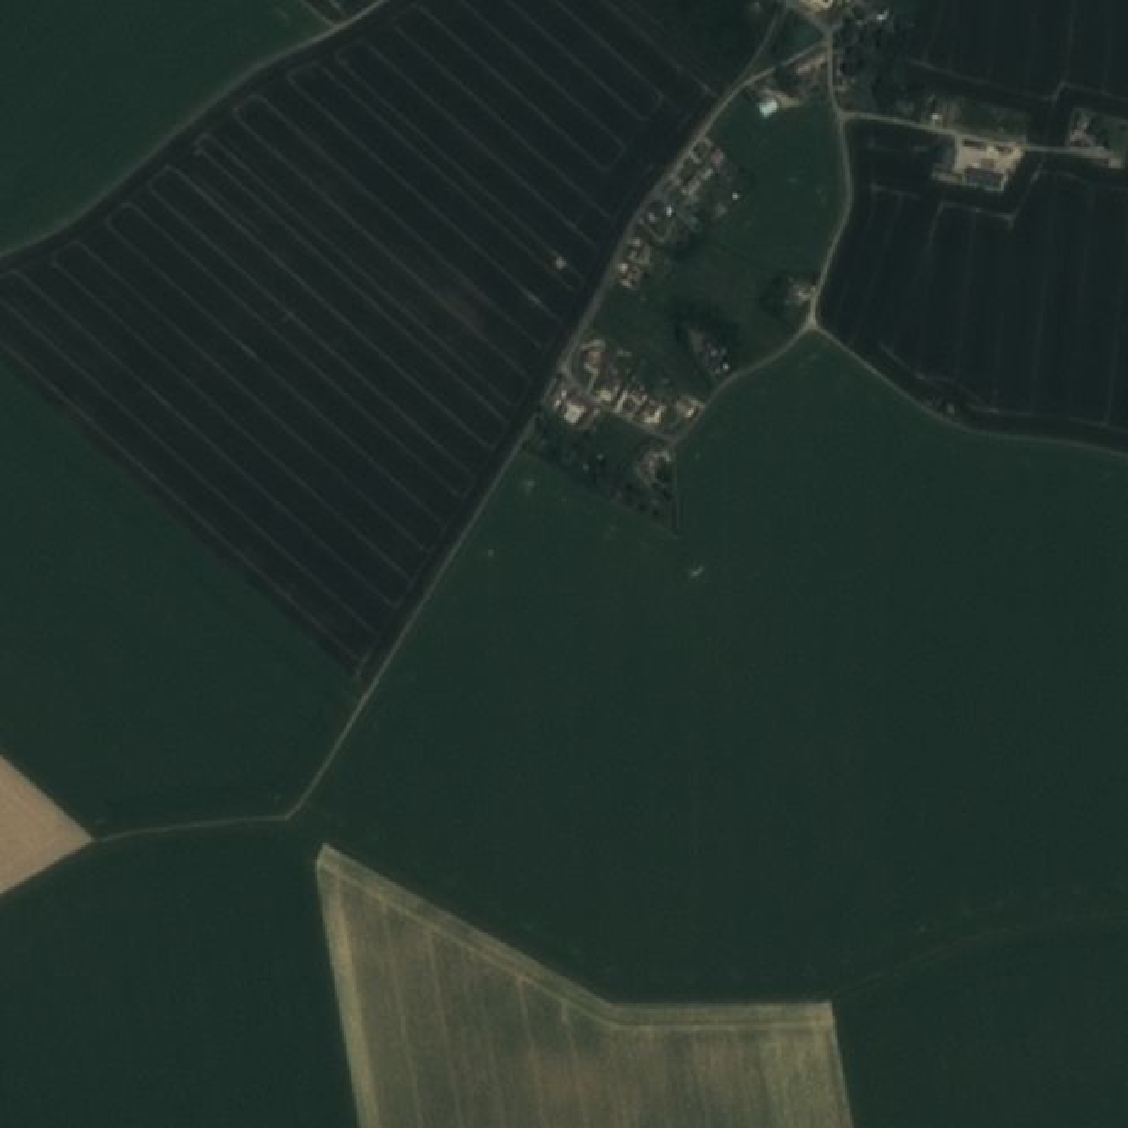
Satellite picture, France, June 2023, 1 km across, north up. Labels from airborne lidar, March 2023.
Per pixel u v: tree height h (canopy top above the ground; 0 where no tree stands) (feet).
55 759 0
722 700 0
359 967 0
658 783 0
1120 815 0
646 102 0
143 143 0
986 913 0
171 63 0
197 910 0
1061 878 0
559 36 0
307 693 0
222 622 0
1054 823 0
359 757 0
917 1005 0
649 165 0
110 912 0
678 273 0
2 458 0
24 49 0
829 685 0
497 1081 0
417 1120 0
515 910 0
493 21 0
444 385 0
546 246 0
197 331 0
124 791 0
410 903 0
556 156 0
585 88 0
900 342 0
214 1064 0
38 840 0
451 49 0
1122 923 0
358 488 0
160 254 0
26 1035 0
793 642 0
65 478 0
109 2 0
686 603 0
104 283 0
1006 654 0
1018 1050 0
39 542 0
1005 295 0
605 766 0
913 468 0
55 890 0
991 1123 0
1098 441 0
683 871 0
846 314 0
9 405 0
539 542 0
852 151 0
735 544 0
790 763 0
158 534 0
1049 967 0
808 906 0
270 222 0
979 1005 0
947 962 0
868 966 0
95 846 0
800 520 0
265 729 0
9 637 0
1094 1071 0
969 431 0
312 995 0
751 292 0
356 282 0
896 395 0
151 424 0
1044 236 0
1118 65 0
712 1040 0
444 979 0
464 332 0
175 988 0
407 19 0
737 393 0
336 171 0
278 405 0
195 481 0
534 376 0
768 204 0
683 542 0
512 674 0
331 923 0
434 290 0
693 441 0
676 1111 0
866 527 0
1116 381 0
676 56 0
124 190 0
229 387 0
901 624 0
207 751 0
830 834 0
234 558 0
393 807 0
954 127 0
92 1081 0
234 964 0
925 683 0
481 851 0
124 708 0
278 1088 0
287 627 0
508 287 0
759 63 0
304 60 0
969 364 0
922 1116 0
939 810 0
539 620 0
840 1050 0
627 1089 0
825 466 0
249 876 0
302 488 0
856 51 41
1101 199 0
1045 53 0
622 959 0
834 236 0
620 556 0
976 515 0
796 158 0
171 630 0
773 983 0
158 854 0
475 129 0
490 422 0
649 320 0
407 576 0
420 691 0
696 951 0
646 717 0
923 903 0
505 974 0
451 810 0
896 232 0
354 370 0
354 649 0
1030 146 0
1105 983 0
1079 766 0
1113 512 0
